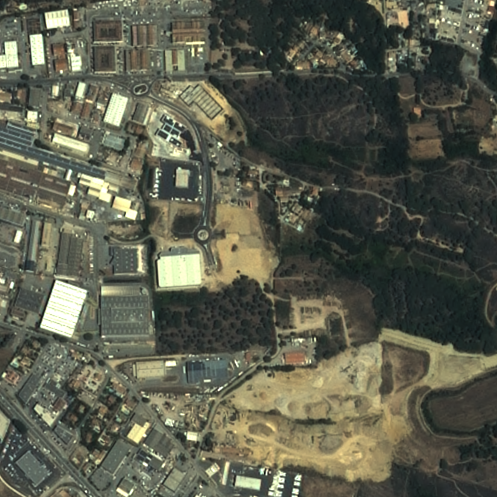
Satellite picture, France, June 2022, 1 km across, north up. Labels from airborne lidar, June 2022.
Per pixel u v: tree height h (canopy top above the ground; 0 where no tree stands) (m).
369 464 0
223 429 0
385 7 0
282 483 0
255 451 0
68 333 0
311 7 9
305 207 7
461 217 8
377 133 13
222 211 0
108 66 0
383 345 0
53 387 0
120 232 0
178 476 0
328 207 7
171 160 0
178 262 0
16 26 0
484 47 10
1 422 0
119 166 0
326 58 0
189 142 0
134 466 0
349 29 7
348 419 0
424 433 0
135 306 0
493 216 10
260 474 0
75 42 0
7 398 0
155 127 0
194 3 0
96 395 0
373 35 14
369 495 0
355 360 0
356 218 8
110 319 0
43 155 0
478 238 10
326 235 13
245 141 0
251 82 0
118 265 0
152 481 0
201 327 9
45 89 0
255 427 0
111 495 0
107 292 0
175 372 0
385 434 0
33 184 0
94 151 0
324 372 0
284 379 0
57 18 0
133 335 0
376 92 12
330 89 12
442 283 12
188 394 0
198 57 0
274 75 9
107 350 0
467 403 0
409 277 12
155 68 0
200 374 0
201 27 0
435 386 0
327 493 0
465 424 0
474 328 10
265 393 0
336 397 0
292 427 0
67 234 0
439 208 12
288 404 0
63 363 0
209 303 9
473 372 0
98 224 0
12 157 0
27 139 0
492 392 0
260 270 0
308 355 0
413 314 10
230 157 0
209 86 0
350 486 0
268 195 7
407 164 16
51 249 0
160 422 0
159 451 0
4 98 0
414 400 0
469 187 0
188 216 0
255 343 6
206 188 0
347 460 0
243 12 11
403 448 0
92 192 0
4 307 0
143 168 9
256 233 0
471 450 6
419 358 0
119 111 0
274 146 0
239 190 0
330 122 0
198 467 0
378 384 0
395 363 0
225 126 0
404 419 0
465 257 11
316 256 10
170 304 0
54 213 0
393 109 10
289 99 10
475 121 0
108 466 0
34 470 0
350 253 9
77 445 0
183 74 0
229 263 0
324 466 0
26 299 0
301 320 0
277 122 7
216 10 9
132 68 0
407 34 14
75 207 0
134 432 0
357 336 0
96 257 0
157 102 0
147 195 0
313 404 0
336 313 0
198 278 0
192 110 0
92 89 0
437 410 0
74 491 0
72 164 0
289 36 10
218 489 0
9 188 0
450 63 10
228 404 0
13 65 0
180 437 9
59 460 0
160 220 0
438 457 0
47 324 0
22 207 0
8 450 0
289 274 9
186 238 0
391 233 10
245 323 11
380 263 0
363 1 11
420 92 7
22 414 0
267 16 10
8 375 0
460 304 15
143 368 0
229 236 0
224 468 0
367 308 0
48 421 0
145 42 0
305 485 0
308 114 0
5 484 0
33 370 0
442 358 0
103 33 7
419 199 13
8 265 0
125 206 0
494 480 0
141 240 0
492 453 16
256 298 9
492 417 0
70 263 0
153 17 0
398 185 6
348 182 9
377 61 8
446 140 8
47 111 0
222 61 12
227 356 0
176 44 0
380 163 11
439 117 8
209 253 0
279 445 0
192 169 0
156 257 0
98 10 0
